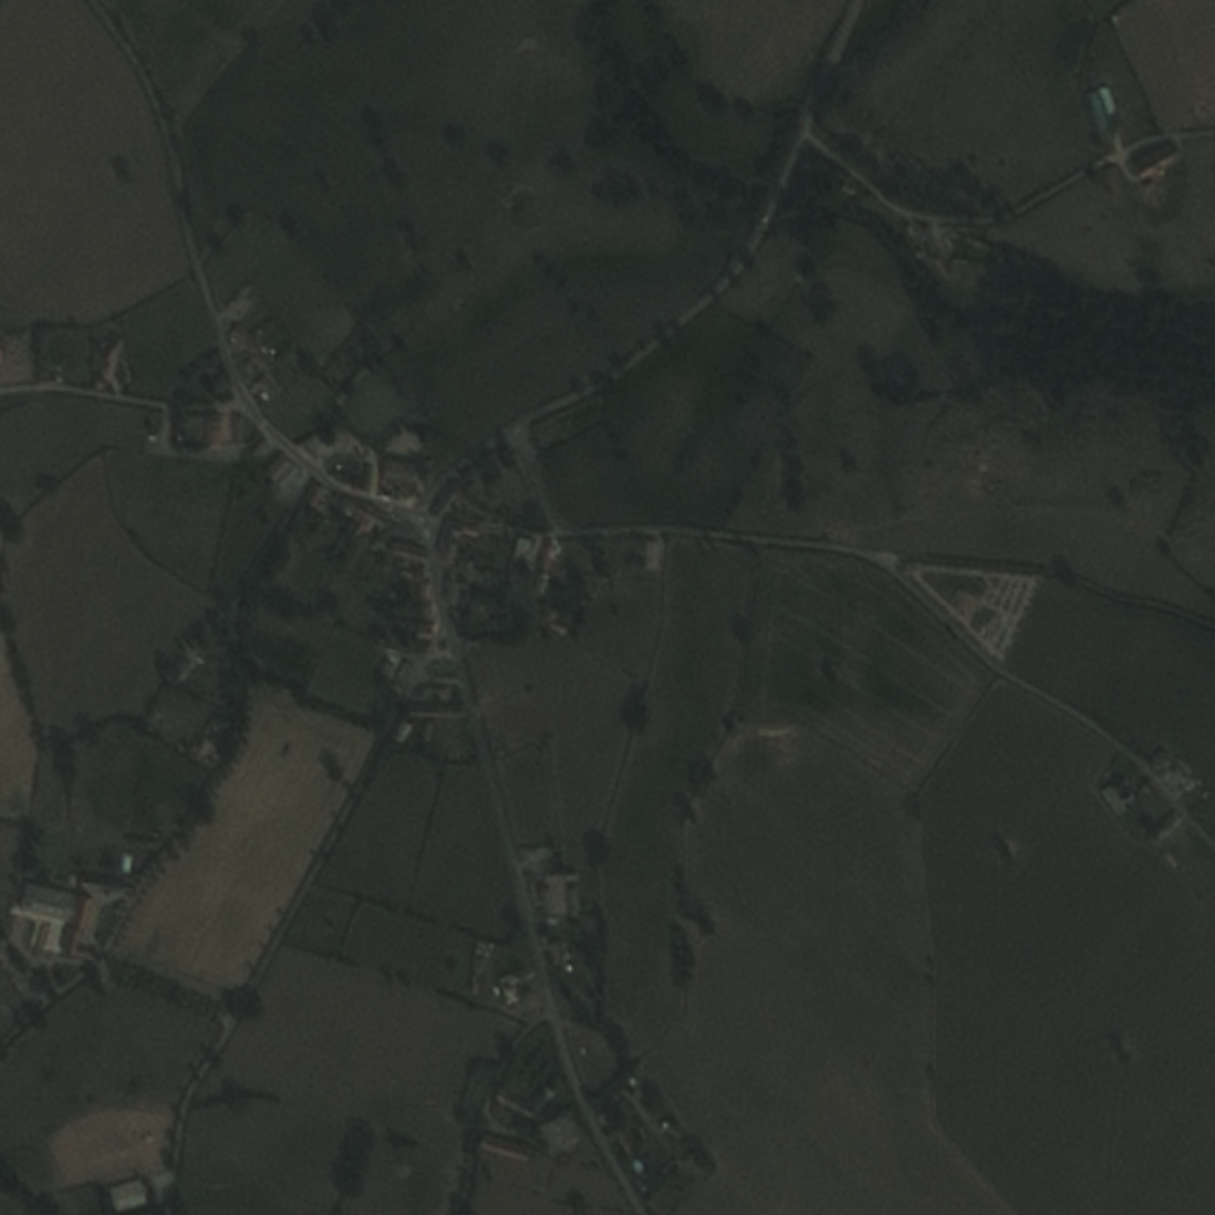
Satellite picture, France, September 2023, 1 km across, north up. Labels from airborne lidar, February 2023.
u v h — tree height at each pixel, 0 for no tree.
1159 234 0
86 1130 0
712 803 0
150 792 0
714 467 0
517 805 0
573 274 0
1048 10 0
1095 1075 0
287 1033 0
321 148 0
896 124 0
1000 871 0
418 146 0
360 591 0
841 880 0
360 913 0
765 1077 0
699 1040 0
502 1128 0
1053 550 0
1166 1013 0
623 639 0
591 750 0
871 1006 0
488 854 0
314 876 0
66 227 0
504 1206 0
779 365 0
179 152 9
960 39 0
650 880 0
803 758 0
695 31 0
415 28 0
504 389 0
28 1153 0
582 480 0
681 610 0
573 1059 0
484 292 0
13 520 15
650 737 0
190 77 0
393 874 0
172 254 0
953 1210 0
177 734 0
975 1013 0
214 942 0
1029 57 0
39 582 0
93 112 0
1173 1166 0
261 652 0
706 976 0
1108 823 0
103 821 0
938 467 0
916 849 0
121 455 0
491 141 0
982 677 0
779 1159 0
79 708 0
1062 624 0
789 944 0
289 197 0
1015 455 0
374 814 0
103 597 0
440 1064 0
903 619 0
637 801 0
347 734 0
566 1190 0
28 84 0
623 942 0
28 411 0
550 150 0
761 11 0
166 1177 0
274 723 0
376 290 0
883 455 0
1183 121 0
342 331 0
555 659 0
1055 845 0
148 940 0
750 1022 0
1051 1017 0
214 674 0
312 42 11
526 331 0
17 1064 0
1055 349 23
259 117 0
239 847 0
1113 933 0
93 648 0
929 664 0
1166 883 0
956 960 0
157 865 9
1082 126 0
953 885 0
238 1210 0
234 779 0
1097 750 0
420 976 0
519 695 0
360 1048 0
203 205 0
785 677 0
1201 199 0
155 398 0
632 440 0
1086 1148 0
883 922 0
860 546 0
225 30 0
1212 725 0
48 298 0
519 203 0
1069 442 0
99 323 0
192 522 0
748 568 13
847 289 0
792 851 0
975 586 0
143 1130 0
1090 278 0
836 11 0
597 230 0
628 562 6
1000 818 0
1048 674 0
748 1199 0
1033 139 0
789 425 0
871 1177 0
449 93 0
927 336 20
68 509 0
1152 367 20
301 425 0
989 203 13
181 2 0
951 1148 0
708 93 13
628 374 0
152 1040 0
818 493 0
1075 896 0
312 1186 0
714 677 0
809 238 23
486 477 14
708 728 0
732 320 0
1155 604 0
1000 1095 0
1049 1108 0
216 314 0
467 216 0
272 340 0
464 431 0
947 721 0
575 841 0
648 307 0
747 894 0
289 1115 0
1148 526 0
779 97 0
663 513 0
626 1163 7
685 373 0
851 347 0
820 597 0
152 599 0
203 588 0
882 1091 0
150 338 0
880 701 0
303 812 0
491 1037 0
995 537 0
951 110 0
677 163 18
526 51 0
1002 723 0
